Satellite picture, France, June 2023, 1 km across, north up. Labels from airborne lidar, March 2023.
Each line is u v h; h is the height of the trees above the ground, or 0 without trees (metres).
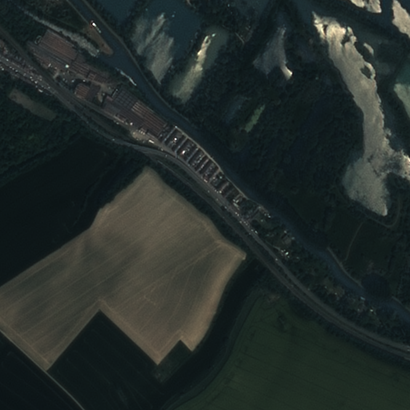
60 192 0
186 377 0
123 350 0
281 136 26
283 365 0
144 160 11
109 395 0
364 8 0
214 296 0
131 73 0
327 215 18
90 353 0
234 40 12
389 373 0
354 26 0
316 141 9
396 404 0
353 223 0
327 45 0
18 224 0
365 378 0
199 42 12
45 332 0
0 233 0
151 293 0
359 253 0
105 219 0
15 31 10
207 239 0
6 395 0
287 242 0
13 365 0
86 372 0
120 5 0
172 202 0
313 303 0
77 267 0
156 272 0
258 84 16
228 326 0
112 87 0
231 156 36
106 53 0
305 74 18
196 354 0
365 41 0
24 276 0
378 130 0
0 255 0
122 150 8
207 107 27
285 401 0
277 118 7
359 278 7
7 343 0
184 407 0
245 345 0
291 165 38
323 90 6
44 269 0
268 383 0
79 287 0
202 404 0
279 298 0
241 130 10
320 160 18
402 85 0
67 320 0
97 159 0
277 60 0
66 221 0
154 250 0
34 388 0
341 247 0
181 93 0
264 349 0
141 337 0
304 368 0
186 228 0
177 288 0
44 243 0
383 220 8
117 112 0
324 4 8
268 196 34
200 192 0
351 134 18
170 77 18
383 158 0
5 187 0
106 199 13
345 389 0
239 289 0
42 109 0
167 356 0
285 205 38
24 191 0
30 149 18
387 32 16
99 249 0
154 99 0
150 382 0
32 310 0
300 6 0
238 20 21
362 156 0
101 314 0
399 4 0
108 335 0
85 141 0
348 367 0
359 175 0
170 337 0
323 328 0
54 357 0
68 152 0
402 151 0
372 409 0
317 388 0
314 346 0
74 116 8
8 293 0
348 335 9
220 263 0
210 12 29
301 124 0
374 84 0
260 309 0
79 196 0
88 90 0
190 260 0
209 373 0
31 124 10
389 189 6
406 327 18
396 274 0
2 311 0
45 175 0
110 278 0
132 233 0
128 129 0
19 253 0
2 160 12
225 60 19
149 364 0
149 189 0
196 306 0
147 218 0
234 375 0
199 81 0
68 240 0
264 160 32
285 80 0
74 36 0
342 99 22
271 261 14
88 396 0
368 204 0
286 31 0
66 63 0
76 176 0
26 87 12
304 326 0
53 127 7
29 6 7
